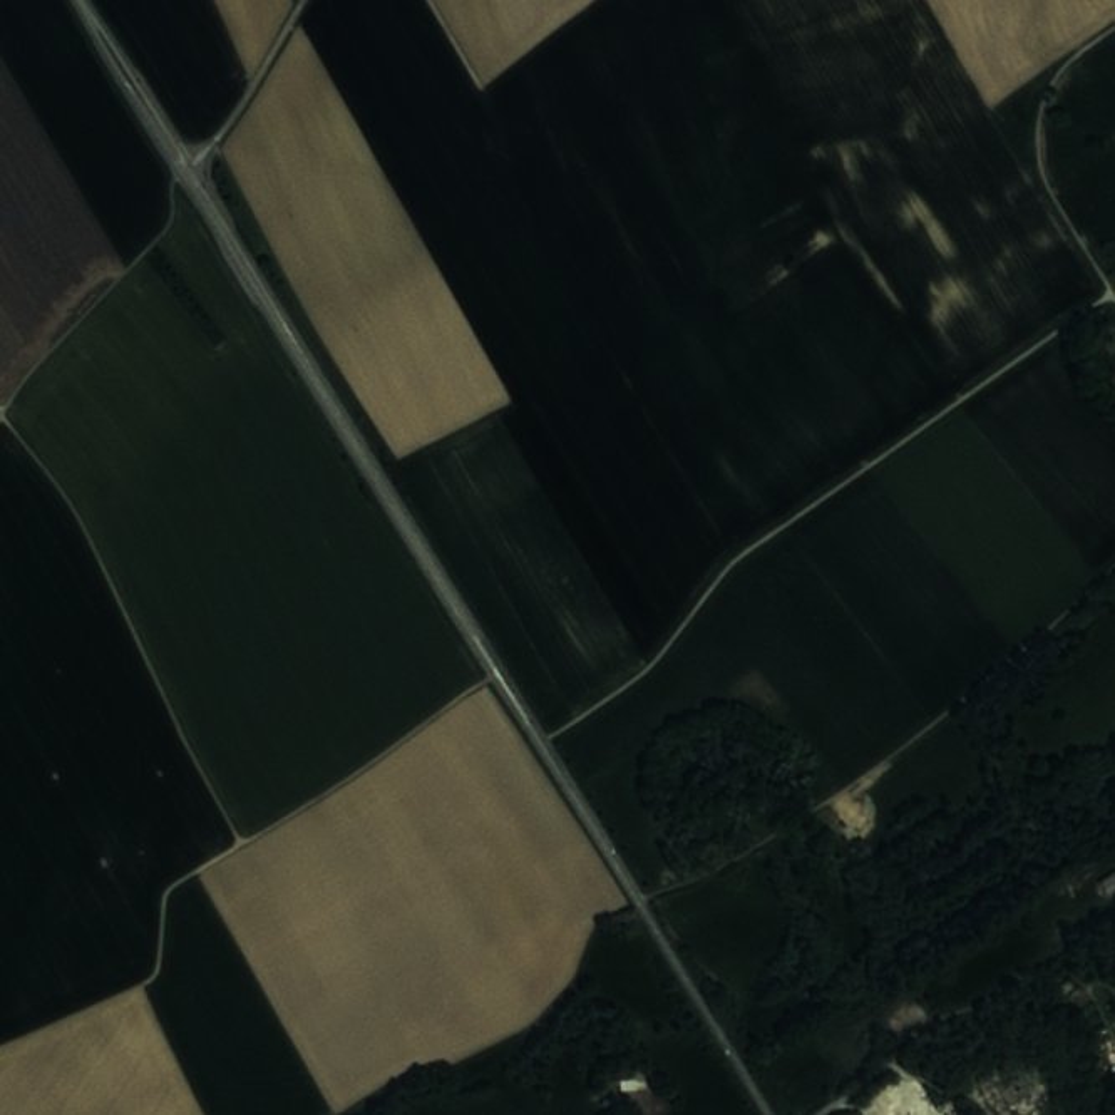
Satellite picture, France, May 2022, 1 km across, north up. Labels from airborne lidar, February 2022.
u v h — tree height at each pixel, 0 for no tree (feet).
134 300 0
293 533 0
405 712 0
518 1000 0
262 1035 0
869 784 0
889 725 0
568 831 0
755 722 50
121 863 0
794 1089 0
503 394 0
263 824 0
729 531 0
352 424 0
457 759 0
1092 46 0
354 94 0
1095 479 0
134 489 0
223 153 0
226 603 0
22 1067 0
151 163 0
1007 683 78
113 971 0
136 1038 0
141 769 0
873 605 0
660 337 0
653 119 0
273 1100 0
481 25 0
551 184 0
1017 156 0
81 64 0
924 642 0
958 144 0
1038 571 0
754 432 0
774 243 0
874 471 0
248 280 0
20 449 0
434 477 0
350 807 0
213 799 0
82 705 0
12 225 0
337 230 0
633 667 0
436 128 0
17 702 0
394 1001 0
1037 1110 0
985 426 0
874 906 90
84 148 0
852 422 0
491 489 0
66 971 0
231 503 0
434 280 0
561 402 0
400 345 0
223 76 0
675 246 0
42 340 0
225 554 0
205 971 0
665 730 37
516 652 0
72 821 0
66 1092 0
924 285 0
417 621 0
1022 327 0
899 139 0
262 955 0
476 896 0
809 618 0
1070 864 42
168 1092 0
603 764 0
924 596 0
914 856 83
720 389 0
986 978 0
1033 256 0
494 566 0
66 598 0
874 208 0
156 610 0
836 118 0
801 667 0
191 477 0
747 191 0
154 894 0
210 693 0
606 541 0
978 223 0
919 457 0
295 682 0
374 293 0
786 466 0
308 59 0
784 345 0
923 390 0
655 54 0
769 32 0
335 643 0
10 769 0
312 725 0
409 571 0
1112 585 56
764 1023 0
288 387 0
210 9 0
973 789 0
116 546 0
